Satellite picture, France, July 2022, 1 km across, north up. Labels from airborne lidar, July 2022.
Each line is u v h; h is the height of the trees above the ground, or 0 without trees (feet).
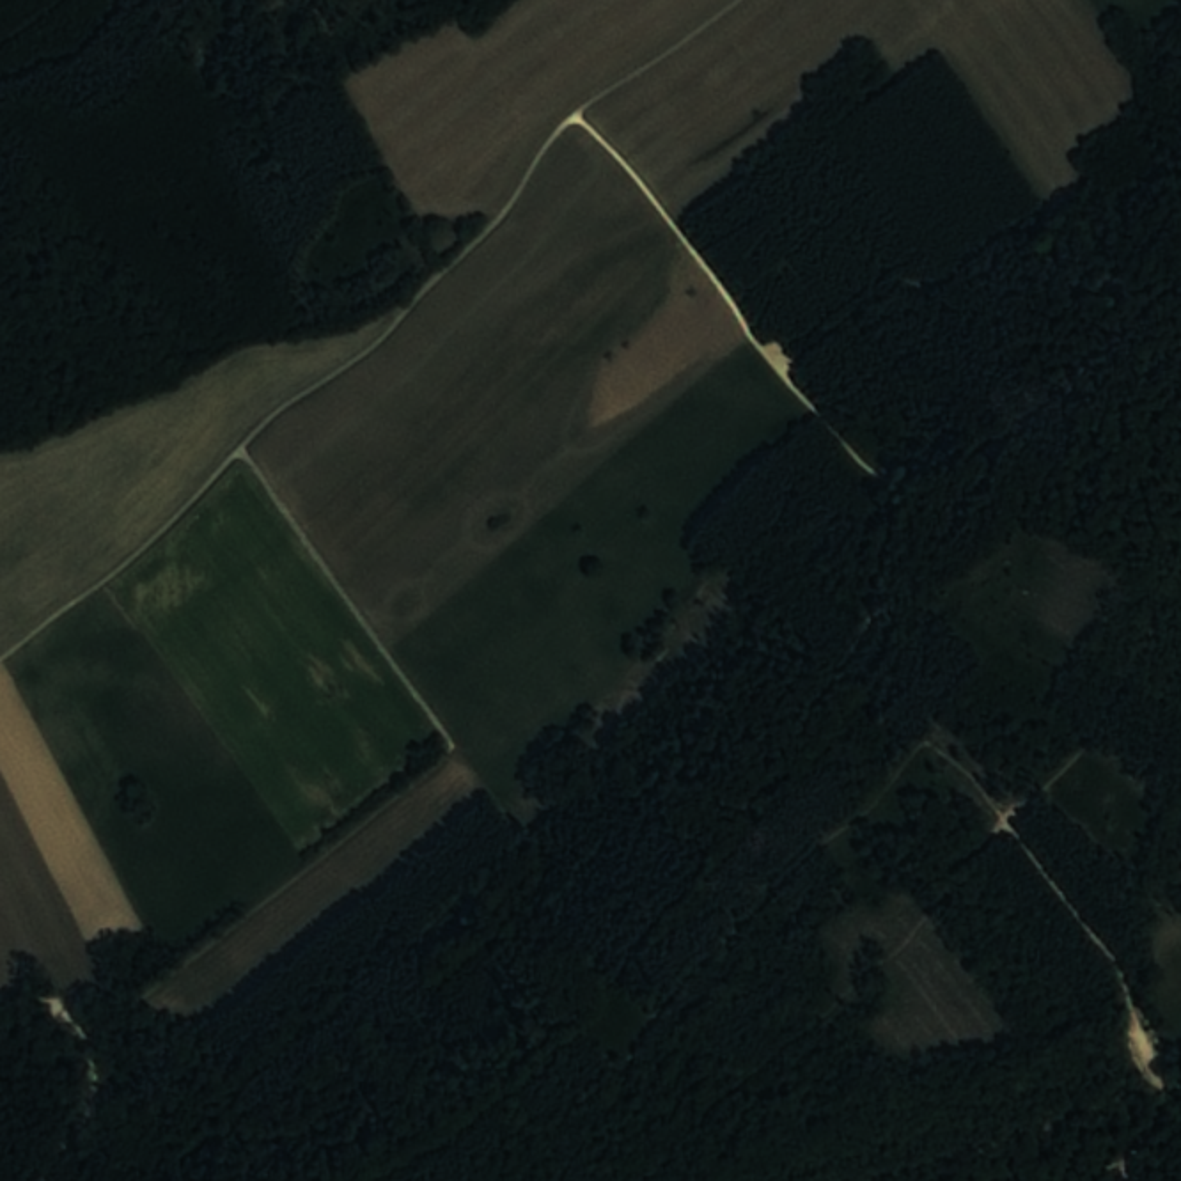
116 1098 81
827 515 86
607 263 0
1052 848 57
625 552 0
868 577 71
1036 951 52
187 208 48
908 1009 0
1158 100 43
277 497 0
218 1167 86
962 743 55
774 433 0
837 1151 50
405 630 0
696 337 0
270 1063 79
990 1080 66
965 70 0
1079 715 59
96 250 71
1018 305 95
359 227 0
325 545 0
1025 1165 98
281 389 0
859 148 46
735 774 102
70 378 57
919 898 66
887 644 46
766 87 0
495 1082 71
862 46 59
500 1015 29
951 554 106
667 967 87
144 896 0
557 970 112
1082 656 49
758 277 50
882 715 82
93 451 0
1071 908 42
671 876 49
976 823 57
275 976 74
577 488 0
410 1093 103
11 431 76
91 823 0
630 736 78
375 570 0
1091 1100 73
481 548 0
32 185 61
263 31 51
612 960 67
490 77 0
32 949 0
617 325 0
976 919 63
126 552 0
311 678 0
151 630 0
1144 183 54
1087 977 65
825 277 34
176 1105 83
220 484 0
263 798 0
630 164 0
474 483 0
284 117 66
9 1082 36
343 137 66
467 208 0
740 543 77
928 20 0
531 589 0
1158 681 58
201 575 0
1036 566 0
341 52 27
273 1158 77
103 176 39
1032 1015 66
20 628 0
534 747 0
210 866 0
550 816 42
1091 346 89
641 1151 56
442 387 0
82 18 31
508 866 104
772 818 59
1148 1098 88
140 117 38
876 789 36
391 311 48
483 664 0
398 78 0
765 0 0
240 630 0
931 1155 71
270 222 43
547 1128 59
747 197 58
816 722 96
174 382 57
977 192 54
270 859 0
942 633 72
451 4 66
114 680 0
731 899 65
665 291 0
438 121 0
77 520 0
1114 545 71
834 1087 63
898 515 103
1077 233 91
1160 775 65
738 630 25
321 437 0
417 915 84
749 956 55
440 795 0
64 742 0
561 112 0
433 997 81
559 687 0
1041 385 67
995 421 98
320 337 51
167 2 67
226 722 0
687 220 38
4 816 0
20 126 36
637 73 0
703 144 0
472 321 0
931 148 50
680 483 0
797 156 54
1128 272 101
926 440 39
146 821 60
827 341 46
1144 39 37
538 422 0
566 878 69
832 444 38
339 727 0
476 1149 52
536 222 0
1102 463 80
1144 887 65
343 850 0
